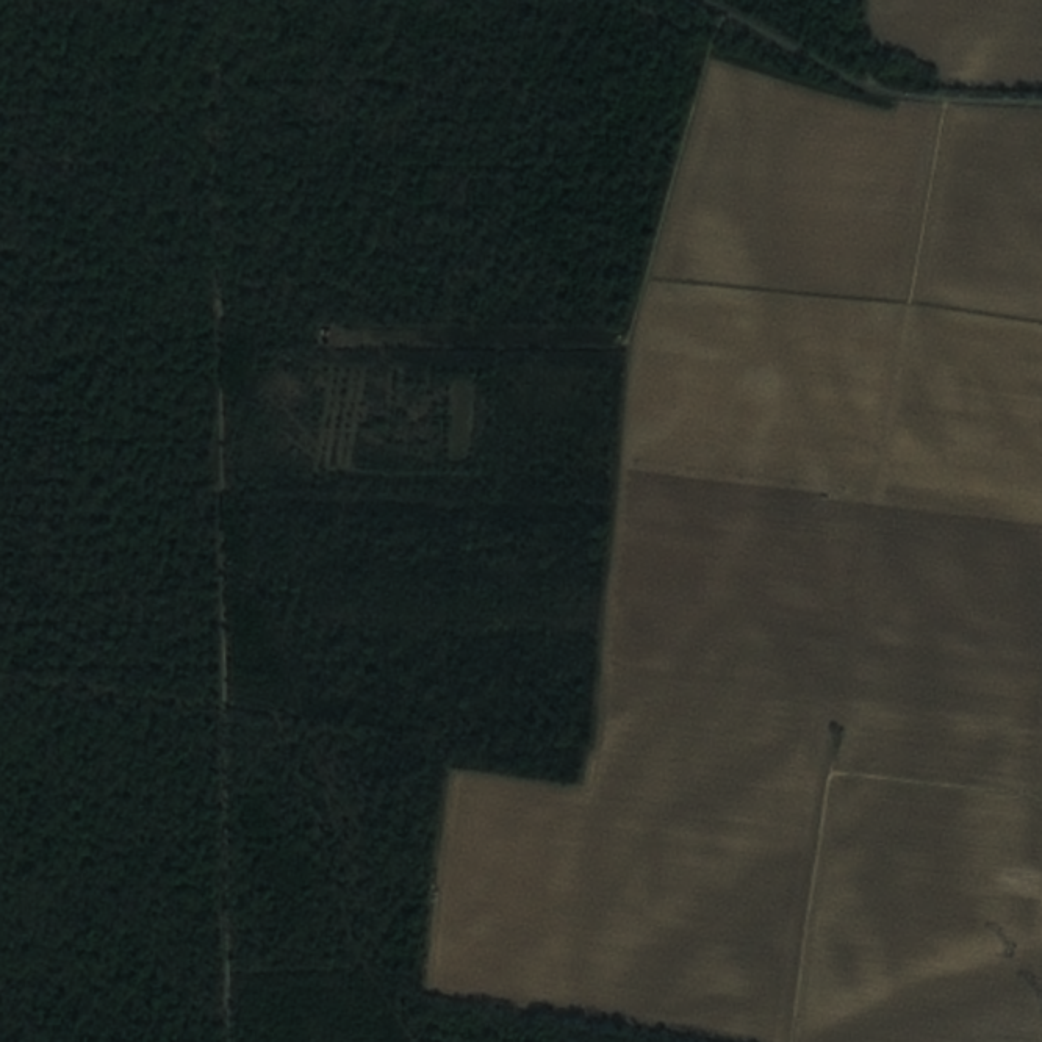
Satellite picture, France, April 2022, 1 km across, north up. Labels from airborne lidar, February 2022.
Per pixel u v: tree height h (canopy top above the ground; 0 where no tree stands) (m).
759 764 0
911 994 0
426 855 15
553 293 12
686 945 0
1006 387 0
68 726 16
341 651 15
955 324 0
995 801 0
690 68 15
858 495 0
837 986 0
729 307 0
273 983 9
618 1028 20
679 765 0
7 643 19
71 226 16
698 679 0
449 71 14
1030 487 0
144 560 14
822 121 0
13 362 16
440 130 12
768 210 0
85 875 18
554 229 15
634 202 10
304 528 13
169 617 15
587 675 15
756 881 0
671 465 0
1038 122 0
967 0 0
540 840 0
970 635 0
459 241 10
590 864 0
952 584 0
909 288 0
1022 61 0
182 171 19
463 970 0
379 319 11
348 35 7
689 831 0
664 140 16
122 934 14
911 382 0
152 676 15
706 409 0
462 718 16
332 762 15
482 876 0
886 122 0
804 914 0
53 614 13
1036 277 0
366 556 11
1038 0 0
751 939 0
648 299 0
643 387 0
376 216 15
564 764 14
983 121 0
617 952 0
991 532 0
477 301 9
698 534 0
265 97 18
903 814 0
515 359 12
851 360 0
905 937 0
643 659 0
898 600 0
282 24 7
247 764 15
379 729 14
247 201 16
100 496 16
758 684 0
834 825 0
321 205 9
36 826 17
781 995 0
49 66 17
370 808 12
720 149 0
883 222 0
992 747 0
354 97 16
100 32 16
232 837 18
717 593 0
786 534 0
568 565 12
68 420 14
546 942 0
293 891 8
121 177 16
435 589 12
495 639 16
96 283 16
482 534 15
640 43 16
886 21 0
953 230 0
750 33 13
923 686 0
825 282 0
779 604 0
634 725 0
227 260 17
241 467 7
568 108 6
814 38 13
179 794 17
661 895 0
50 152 12
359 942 12
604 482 18
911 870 0
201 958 11
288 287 13
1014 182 0
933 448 0
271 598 12
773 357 0
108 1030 18
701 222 0
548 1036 15
